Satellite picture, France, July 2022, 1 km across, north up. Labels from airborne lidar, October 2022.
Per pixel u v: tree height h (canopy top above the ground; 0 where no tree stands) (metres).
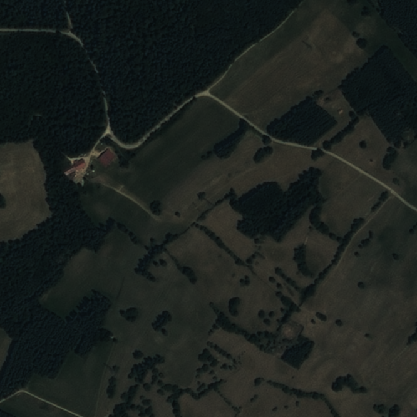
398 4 23
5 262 23
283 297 13
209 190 0
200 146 0
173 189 0
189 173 0
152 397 0
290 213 23
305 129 24
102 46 31
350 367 0
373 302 0
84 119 26
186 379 0
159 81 19
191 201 0
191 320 0
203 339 0
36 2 35
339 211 0
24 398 0
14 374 26
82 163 0
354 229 13
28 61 9
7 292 22
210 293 0
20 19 14
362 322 0
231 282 0
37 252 25
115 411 9
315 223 23
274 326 0
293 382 0
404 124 18
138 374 9
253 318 0
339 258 14
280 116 0
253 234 15
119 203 0
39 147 21
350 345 0
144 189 0
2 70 7
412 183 0
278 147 0
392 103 24
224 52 24
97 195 0
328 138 0
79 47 21
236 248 0
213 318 0
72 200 28
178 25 15
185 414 0
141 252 0
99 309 26
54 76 16
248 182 0
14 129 8
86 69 23
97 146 0
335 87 0
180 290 0
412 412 0
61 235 24
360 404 0
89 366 0
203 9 16
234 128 0
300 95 0
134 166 0
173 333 0
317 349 0
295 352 18
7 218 0
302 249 11
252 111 0
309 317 0
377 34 0
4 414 24
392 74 18
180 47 23
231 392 0
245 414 0
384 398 0
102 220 0
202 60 25
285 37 0
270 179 0
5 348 0
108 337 20
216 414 0
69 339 27
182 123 0
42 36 8
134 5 9
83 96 26
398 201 0
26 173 0
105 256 0
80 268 0
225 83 0
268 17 22
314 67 0
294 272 0
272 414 0
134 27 13
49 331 26
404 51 0
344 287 0
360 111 16
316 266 0
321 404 0
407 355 0
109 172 0
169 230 0
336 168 0
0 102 11
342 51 0
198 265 0
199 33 13
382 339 0
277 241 7
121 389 0
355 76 15
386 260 0
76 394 0
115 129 19
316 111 24
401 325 0
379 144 0
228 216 0
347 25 0
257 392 0
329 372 0
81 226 22
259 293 0
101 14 26
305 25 0
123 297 0
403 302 0
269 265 0
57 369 23
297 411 0
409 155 0
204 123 0
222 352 11
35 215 0
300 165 0
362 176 0
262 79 0
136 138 6
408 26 24
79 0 29
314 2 0
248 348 0
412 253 0
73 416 0
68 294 0
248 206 25
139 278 0
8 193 0
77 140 26
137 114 15
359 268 0
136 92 18
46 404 0
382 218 0
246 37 19
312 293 20
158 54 23
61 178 23
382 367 0
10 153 0
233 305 21
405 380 0
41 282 22
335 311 0
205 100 0
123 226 24
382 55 23
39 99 16
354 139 0
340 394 0
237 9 20
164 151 0
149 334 0
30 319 7
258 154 12
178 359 0
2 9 6
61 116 20
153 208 10
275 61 0
